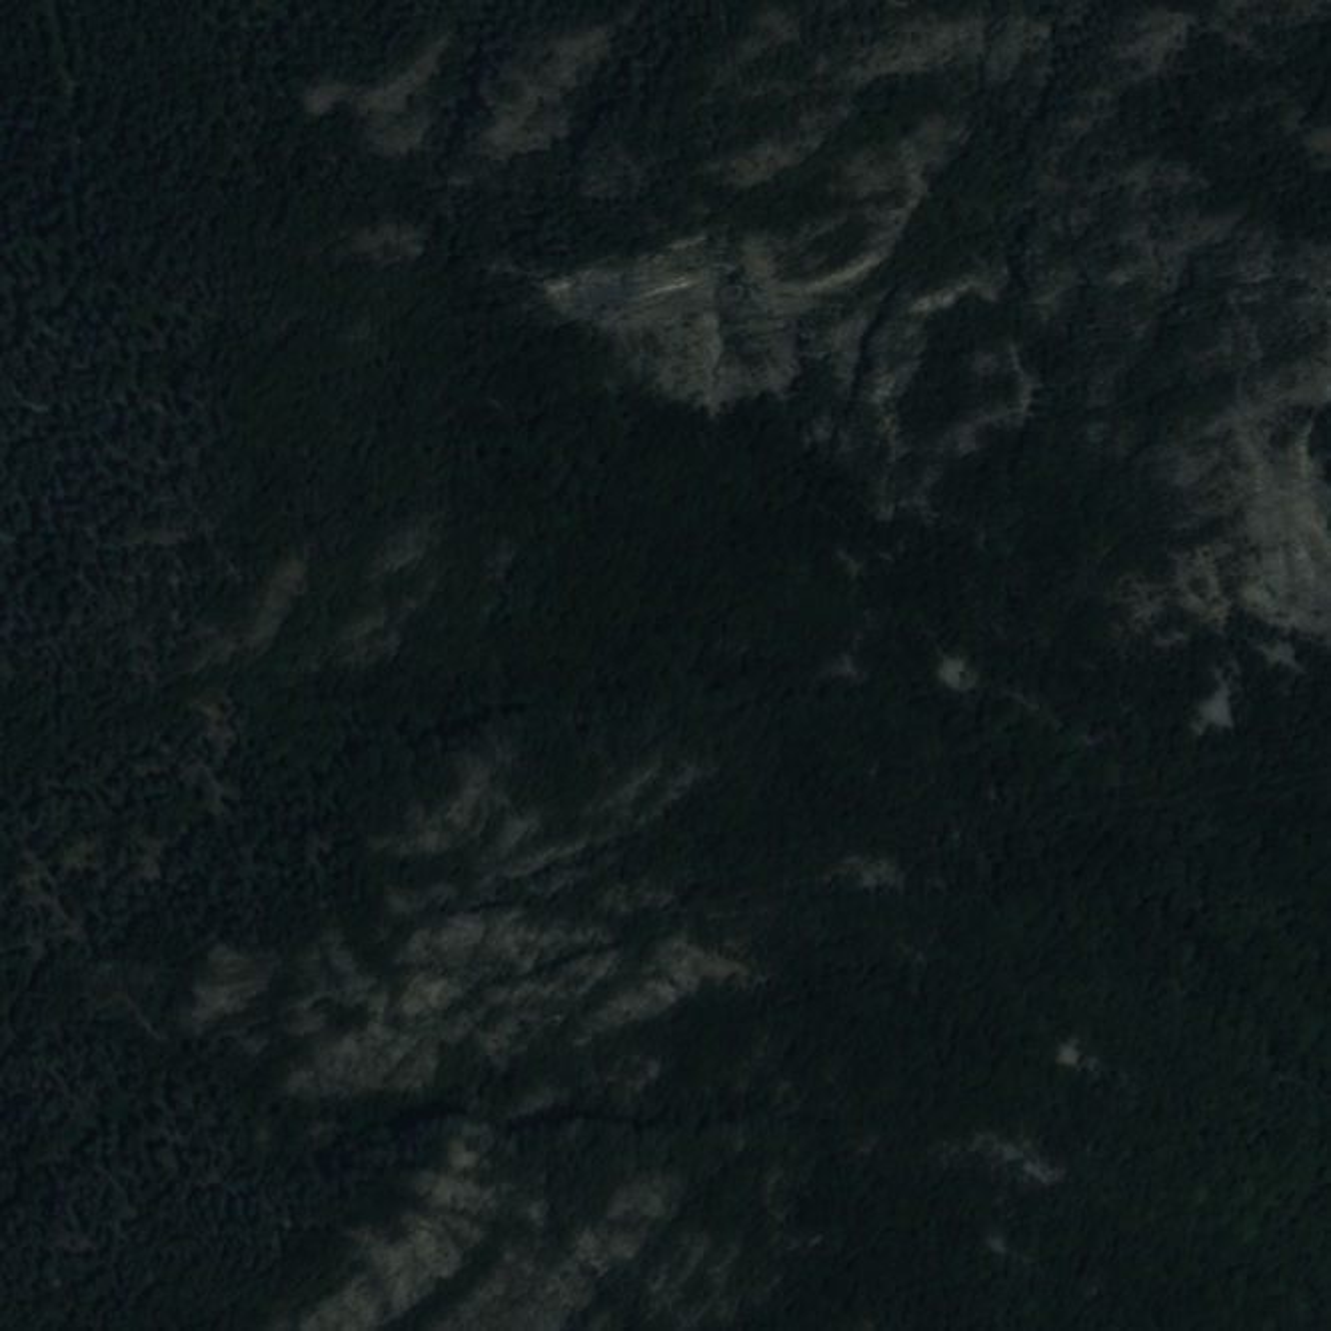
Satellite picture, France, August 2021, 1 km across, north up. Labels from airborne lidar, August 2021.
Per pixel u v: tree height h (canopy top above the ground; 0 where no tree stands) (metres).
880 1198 21
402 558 6
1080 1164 7
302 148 15
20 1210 16
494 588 24
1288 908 22
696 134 25
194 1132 29
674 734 19
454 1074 15
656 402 12
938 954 16
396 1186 12
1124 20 11
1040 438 25
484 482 33
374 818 23
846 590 25
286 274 18
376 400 22
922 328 9
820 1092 10
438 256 32
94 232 7
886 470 12
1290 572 0
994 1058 17
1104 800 23
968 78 21
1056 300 6
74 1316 9
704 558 21
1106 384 5
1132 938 27
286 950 12
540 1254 9
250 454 19
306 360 26
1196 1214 23
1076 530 21
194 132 16
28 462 19
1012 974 19
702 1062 23
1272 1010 26
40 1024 10
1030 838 34
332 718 31
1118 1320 26
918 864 15
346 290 19
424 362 27
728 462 25
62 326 28
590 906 12
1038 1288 29
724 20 16
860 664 10
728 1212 31
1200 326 10
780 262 7
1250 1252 22
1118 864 30
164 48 14
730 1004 18
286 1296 16
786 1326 18
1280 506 0
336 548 28
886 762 13
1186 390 23
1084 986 20
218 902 26
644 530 23
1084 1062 11
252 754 13
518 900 28
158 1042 9
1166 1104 22
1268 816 35
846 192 8
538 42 8
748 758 10
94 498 23
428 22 17
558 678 35
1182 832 28
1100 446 13
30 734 15
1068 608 17
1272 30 14
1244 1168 21
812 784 24
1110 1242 21
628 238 19
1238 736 19
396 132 6
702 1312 7
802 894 16
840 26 22
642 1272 12
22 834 23
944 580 19
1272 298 8
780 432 29
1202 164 15
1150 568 13
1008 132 21
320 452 24
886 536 16
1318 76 27
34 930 9
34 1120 19
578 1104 27
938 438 7
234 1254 19
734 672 24
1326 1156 18
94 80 21
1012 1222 14
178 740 28
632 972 10
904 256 24
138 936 13
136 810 19
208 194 20
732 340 12
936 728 13
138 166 23
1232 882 18
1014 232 22
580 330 24
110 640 15
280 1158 18
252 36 16
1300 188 8
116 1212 22
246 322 23
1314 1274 26
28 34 22
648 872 23
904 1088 10
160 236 20
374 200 22
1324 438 7
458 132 6
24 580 27
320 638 25
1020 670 15
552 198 26
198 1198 17
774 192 22
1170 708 10
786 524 33
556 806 13
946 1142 9
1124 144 6
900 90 27
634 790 19
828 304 8
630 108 20
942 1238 23
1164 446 8
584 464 31
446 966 10
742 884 25
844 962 26
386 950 12
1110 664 17
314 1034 6
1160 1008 18
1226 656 11
